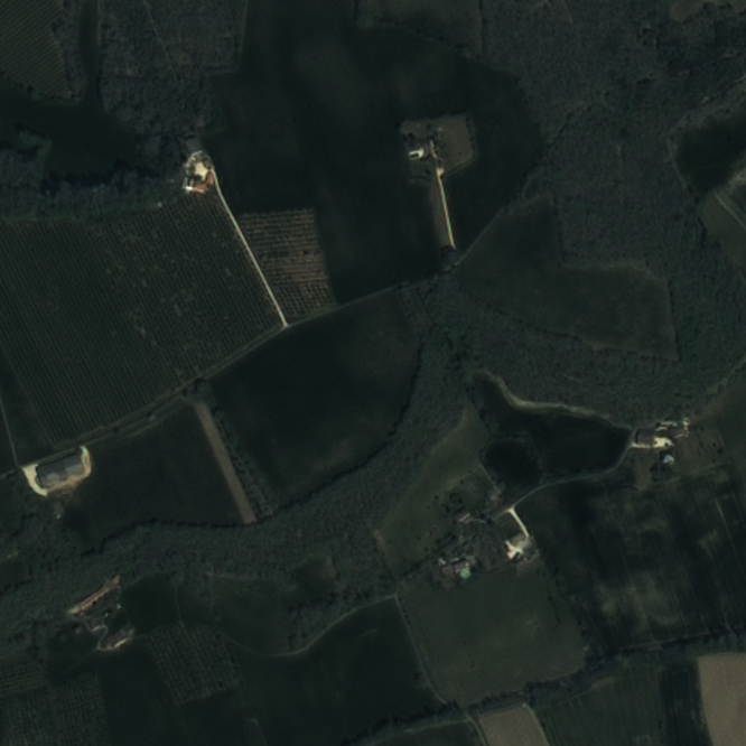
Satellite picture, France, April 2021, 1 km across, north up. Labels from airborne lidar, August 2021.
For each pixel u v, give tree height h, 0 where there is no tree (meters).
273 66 0
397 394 0
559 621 6
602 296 0
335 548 22
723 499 0
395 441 12
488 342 20
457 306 19
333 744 0
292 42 0
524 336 13
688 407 14
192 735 0
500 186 0
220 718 0
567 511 0
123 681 0
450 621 0
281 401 0
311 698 0
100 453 0
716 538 0
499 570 8
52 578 13
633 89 11
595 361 13
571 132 14
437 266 0
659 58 11
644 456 0
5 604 15
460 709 19
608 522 0
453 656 0
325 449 0
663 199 18
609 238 11
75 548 7
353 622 0
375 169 0
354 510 14
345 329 0
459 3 0
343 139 0
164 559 26
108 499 0
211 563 23
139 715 0
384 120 0
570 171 16
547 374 12
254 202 0
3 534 11
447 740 0
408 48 0
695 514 0
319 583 0
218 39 12
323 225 0
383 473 12
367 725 0
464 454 0
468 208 0
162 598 0
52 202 26
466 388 8
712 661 0
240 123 0
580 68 15
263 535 13
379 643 0
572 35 15
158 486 0
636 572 0
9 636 10
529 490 0
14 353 5
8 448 0
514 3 16
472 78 0
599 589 0
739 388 0
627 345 0
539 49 17
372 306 0
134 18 8
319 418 0
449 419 15
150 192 23
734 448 0
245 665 0
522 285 0
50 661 0
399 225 0
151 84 12
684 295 15
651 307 0
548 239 0
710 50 11
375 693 0
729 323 13
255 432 0
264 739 0
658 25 8
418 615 0
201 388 14
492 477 9
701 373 22
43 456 0
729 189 0
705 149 0
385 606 0
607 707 0
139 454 0
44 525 13
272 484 0
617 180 11
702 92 10
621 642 0
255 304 5
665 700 0
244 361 0
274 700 0
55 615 19
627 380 14
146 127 20
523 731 0
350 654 0
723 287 21
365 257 0
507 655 0
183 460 0
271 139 0
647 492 0
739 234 0
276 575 21
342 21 0
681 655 18
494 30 20
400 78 0
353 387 0
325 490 12
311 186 0
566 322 0
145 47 9
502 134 0
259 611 0
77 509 0
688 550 0
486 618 0
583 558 0
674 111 14
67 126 0
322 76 0
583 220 14
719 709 0
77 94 13
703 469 0
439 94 0
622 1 13
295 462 0
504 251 0
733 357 18
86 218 13
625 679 0
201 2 12
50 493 0
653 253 14
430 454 12
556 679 0
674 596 0
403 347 0
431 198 0
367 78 0
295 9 0
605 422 0
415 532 0
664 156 23
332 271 0
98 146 0
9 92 0
